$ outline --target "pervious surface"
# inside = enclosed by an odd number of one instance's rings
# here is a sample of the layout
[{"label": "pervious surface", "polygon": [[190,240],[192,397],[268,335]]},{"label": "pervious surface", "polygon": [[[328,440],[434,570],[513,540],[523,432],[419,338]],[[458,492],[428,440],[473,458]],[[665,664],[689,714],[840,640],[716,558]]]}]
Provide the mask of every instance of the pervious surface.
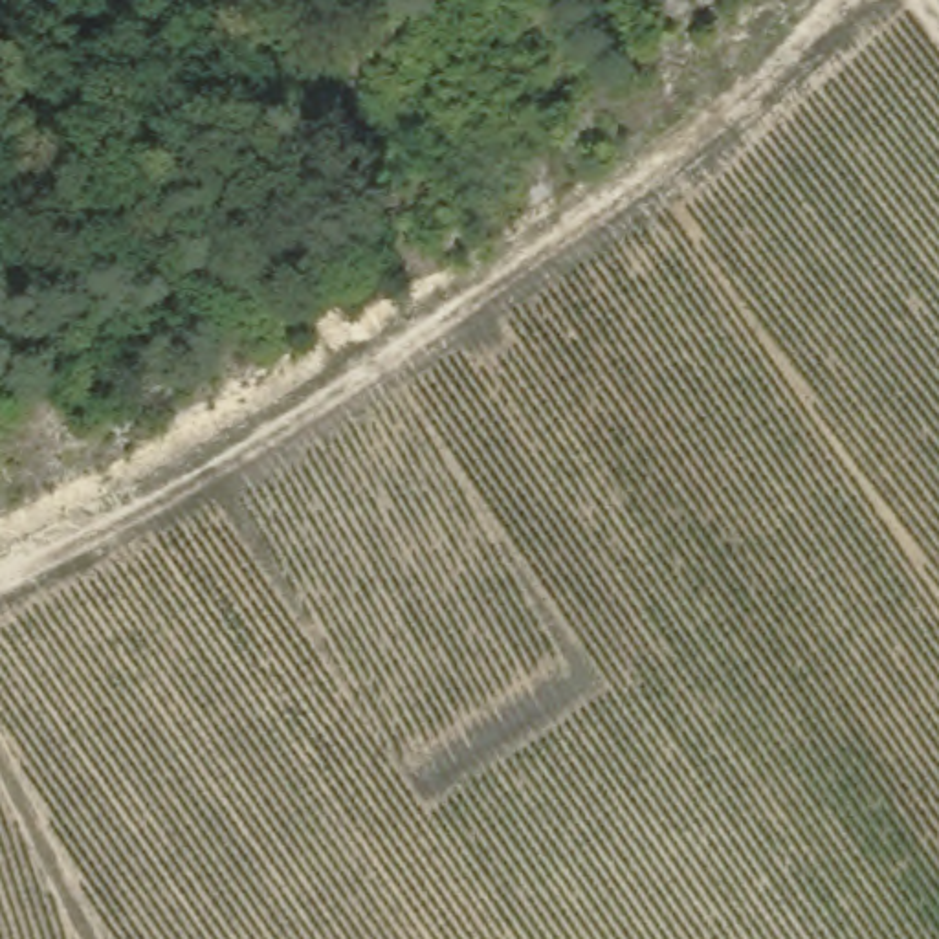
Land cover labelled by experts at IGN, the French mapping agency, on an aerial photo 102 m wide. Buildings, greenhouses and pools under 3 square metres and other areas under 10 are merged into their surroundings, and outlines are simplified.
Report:
[{"label": "pervious surface", "polygon": [[660,183],[660,169],[671,165],[668,154],[653,150],[635,161],[631,172],[598,187],[587,202],[572,205],[561,216],[561,224],[554,224],[547,235],[510,249],[492,264],[458,297],[444,301],[425,319],[414,319],[385,348],[356,359],[341,378],[334,378],[286,414],[257,425],[246,440],[165,481],[161,488],[143,492],[139,499],[128,499],[103,514],[95,473],[73,477],[55,492],[22,503],[18,510],[0,517],[0,594],[117,539],[121,521],[139,514],[143,506],[158,506],[161,499],[194,481],[202,488],[213,484],[220,473],[227,473],[235,458],[257,458],[264,447],[290,436],[297,425],[348,403],[363,385],[403,367],[418,348],[425,348],[455,326],[484,304],[484,297],[506,275],[525,268],[528,260],[539,260],[547,249],[572,242],[587,231],[594,216],[624,209],[635,194],[653,187]]},{"label": "pervious surface", "polygon": [[719,95],[726,121],[737,121],[741,114],[756,110],[770,84],[803,55],[803,48],[840,22],[840,7],[833,0],[818,0],[756,73],[737,77]]}]

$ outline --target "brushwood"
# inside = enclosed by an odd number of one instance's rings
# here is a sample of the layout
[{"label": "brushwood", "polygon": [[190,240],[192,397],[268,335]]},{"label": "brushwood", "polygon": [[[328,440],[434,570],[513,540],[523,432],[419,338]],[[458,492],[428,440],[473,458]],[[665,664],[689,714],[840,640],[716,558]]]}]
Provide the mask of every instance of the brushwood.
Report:
[{"label": "brushwood", "polygon": [[0,400],[0,517],[18,510],[22,503],[55,492],[73,477],[95,473],[117,458],[128,458],[139,444],[154,436],[143,425],[128,422],[103,422],[77,436],[66,425],[66,418],[48,403],[37,407],[37,414],[29,414],[18,400]]}]

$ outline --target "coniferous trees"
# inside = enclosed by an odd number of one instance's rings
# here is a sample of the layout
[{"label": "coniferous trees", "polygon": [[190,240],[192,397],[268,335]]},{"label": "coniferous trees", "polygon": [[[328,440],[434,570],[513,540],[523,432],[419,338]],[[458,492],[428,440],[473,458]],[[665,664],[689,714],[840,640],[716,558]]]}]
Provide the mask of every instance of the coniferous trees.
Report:
[{"label": "coniferous trees", "polygon": [[297,180],[286,191],[268,191],[257,205],[246,209],[209,209],[202,205],[198,191],[183,191],[172,198],[161,194],[165,231],[154,242],[143,242],[143,268],[114,264],[106,271],[81,271],[77,293],[59,293],[55,286],[29,286],[22,297],[15,297],[7,293],[7,286],[0,286],[0,400],[18,400],[29,414],[37,414],[37,407],[48,403],[48,389],[55,378],[51,363],[59,352],[88,348],[106,315],[150,304],[150,323],[165,323],[165,334],[143,348],[143,359],[136,367],[121,367],[114,359],[92,370],[92,381],[110,381],[110,396],[136,414],[128,422],[143,425],[154,436],[161,436],[172,425],[172,418],[191,403],[213,407],[224,381],[238,378],[242,367],[275,367],[282,356],[290,356],[290,312],[282,308],[290,304],[290,297],[315,297],[323,275],[352,246],[381,253],[389,246],[392,224],[392,202],[378,194],[378,158],[363,143],[341,147],[341,136],[319,117],[301,117],[297,92],[286,92],[279,106],[260,106],[260,117],[275,139],[297,143],[301,165]]}]

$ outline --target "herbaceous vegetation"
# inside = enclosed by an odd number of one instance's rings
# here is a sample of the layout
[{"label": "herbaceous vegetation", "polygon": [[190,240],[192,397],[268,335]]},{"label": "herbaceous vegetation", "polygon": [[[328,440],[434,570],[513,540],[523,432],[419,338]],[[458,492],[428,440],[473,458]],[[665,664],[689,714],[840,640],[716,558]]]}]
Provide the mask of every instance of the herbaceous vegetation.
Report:
[{"label": "herbaceous vegetation", "polygon": [[789,125],[814,92],[825,88],[825,81],[847,70],[880,37],[899,29],[899,22],[917,15],[921,0],[833,0],[840,7],[840,22],[803,48],[803,55],[770,84],[756,110],[741,114],[737,121],[726,121],[719,95],[737,77],[756,73],[818,0],[660,0],[675,18],[675,29],[660,37],[660,81],[653,88],[631,92],[627,103],[616,103],[620,121],[627,125],[627,158],[635,161],[653,150],[668,154],[671,165],[660,169],[660,183],[653,187],[660,194],[660,205],[671,202],[671,194],[682,194],[671,213],[686,227],[690,242],[701,238],[704,231],[693,220],[690,205],[708,198],[734,169],[741,169],[778,125]]},{"label": "herbaceous vegetation", "polygon": [[561,216],[572,205],[587,202],[598,187],[576,183],[572,194],[558,194],[550,191],[550,183],[536,183],[528,191],[528,213],[517,216],[517,224],[503,235],[510,249],[547,235],[554,224],[561,224]]},{"label": "herbaceous vegetation", "polygon": [[455,326],[470,348],[499,341],[499,319],[484,304]]},{"label": "herbaceous vegetation", "polygon": [[191,403],[172,418],[172,425],[161,436],[154,436],[139,444],[128,458],[117,458],[95,473],[103,514],[128,499],[139,499],[143,492],[161,488],[165,481],[246,440],[257,425],[286,414],[334,378],[341,378],[356,359],[385,348],[414,319],[425,319],[444,301],[458,297],[492,264],[473,260],[470,268],[444,268],[422,275],[392,301],[374,301],[359,319],[326,312],[319,319],[312,352],[290,356],[282,356],[275,367],[242,367],[238,378],[224,381],[213,407]]}]

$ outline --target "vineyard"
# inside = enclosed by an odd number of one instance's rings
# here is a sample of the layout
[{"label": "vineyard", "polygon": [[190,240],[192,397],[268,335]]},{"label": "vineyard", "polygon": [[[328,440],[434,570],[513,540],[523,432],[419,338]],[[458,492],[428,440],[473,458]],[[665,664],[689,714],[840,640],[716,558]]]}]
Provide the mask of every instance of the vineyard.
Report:
[{"label": "vineyard", "polygon": [[235,458],[227,473],[220,473],[213,484],[202,488],[194,481],[161,499],[158,506],[143,506],[139,514],[121,521],[117,539],[0,594],[0,939],[939,939],[939,0],[921,0],[917,15],[899,22],[899,29],[880,37],[847,70],[825,81],[825,88],[814,92],[789,125],[778,125],[741,169],[734,169],[708,198],[690,205],[693,220],[704,231],[701,238],[690,242],[686,227],[671,213],[682,194],[671,194],[671,202],[660,205],[660,194],[653,187],[635,194],[624,209],[594,216],[587,231],[572,242],[547,249],[539,260],[528,260],[525,268],[506,275],[484,297],[484,304],[499,319],[499,341],[470,348],[455,326],[425,348],[418,348],[403,367],[363,385],[348,403],[297,425],[290,436],[264,447],[257,458]]}]

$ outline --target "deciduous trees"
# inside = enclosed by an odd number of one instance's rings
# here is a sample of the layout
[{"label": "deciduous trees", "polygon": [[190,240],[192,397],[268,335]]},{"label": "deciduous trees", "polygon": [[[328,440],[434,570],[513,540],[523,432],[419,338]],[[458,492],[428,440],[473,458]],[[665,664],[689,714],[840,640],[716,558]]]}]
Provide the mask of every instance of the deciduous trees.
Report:
[{"label": "deciduous trees", "polygon": [[290,312],[290,356],[312,352],[319,319],[326,312],[359,319],[374,301],[392,301],[422,275],[444,268],[470,268],[473,260],[492,264],[510,249],[503,235],[517,224],[517,216],[528,213],[528,191],[536,183],[550,183],[550,191],[558,194],[572,194],[576,183],[598,187],[631,172],[635,161],[627,158],[627,125],[620,121],[616,103],[627,103],[631,92],[653,88],[660,81],[660,37],[675,29],[675,18],[660,0],[0,0],[0,286],[7,286],[7,293],[15,297],[22,297],[29,286],[55,286],[59,293],[77,293],[81,271],[106,271],[114,264],[143,268],[143,242],[154,242],[165,231],[161,194],[172,198],[183,191],[198,191],[202,205],[209,209],[246,209],[257,205],[268,191],[286,191],[297,180],[301,165],[297,143],[275,139],[260,117],[260,106],[279,106],[286,92],[297,92],[301,117],[319,117],[341,136],[341,147],[363,143],[378,158],[378,194],[392,202],[392,224],[389,246],[381,253],[352,246],[323,275],[315,297],[290,297],[290,304],[282,308]]},{"label": "deciduous trees", "polygon": [[88,348],[59,352],[51,363],[55,378],[48,389],[48,403],[66,418],[66,425],[77,436],[103,422],[128,422],[136,414],[110,396],[110,381],[92,381],[92,370],[114,359],[121,367],[136,367],[143,359],[143,348],[165,334],[165,323],[150,323],[150,304],[106,315]]}]

